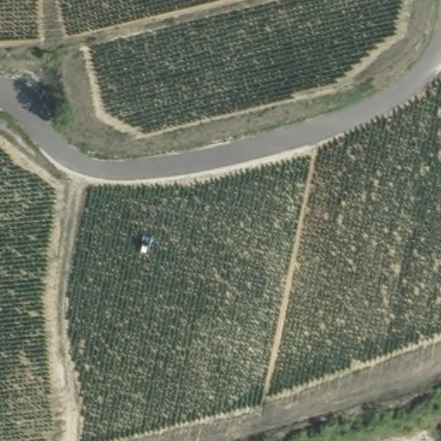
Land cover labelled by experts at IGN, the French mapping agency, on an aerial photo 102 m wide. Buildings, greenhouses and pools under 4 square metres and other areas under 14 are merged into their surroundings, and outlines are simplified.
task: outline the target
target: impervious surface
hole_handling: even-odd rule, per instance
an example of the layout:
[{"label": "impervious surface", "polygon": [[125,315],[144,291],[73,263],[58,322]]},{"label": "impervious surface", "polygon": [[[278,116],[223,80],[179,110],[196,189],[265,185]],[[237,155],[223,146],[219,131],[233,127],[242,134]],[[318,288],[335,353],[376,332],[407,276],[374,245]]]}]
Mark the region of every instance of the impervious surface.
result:
[{"label": "impervious surface", "polygon": [[441,3],[434,40],[419,64],[405,76],[396,79],[388,88],[334,114],[320,115],[295,126],[279,127],[274,131],[243,136],[238,140],[227,138],[226,141],[212,141],[208,145],[196,146],[191,150],[121,160],[86,157],[79,148],[69,145],[64,136],[55,133],[52,122],[43,121],[38,115],[24,109],[14,88],[17,79],[14,78],[14,74],[0,74],[0,110],[9,112],[17,124],[28,131],[31,140],[40,146],[40,152],[45,150],[62,164],[71,167],[72,171],[110,179],[177,176],[189,172],[208,171],[224,165],[239,164],[253,158],[286,152],[298,146],[314,145],[320,138],[324,138],[327,143],[343,138],[357,127],[376,121],[379,117],[389,117],[396,110],[410,105],[415,98],[422,98],[425,96],[425,84],[431,83],[441,72]]}]

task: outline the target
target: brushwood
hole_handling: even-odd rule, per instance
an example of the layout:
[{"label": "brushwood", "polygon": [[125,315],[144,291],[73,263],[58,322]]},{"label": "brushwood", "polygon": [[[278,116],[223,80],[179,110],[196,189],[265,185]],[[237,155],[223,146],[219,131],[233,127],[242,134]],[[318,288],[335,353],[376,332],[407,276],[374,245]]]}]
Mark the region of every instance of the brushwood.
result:
[{"label": "brushwood", "polygon": [[420,382],[415,388],[384,391],[376,398],[363,403],[357,401],[339,405],[336,412],[308,420],[295,420],[291,424],[279,425],[269,431],[233,441],[381,441],[394,436],[408,438],[419,431],[429,432],[434,441],[441,441],[441,372],[431,381]]}]

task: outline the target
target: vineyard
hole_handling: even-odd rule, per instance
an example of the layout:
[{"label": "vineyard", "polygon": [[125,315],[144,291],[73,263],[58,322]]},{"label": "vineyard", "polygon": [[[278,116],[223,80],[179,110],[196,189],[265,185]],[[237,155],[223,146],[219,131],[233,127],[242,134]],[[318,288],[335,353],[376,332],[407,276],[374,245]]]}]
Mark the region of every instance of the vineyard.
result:
[{"label": "vineyard", "polygon": [[79,413],[84,419],[83,434],[79,441],[112,441],[133,436],[138,432],[155,431],[165,425],[202,419],[215,413],[257,407],[265,396],[281,393],[283,389],[295,388],[303,382],[346,369],[353,360],[372,360],[386,355],[389,351],[398,350],[401,346],[415,343],[419,339],[441,334],[441,72],[431,83],[425,84],[425,96],[422,98],[415,98],[410,105],[396,110],[389,117],[379,117],[376,121],[357,127],[343,138],[327,143],[317,150],[317,157],[303,155],[277,164],[262,165],[257,169],[229,174],[207,183],[196,183],[191,186],[91,184],[84,189],[71,274],[67,283],[67,334],[71,339],[74,369],[78,370],[79,374],[74,391],[76,403],[81,407]]},{"label": "vineyard", "polygon": [[157,34],[138,34],[131,38],[109,41],[96,45],[91,50],[86,45],[81,47],[84,67],[90,79],[96,119],[109,124],[117,131],[131,134],[136,140],[150,140],[146,133],[162,126],[196,121],[207,115],[227,114],[260,103],[277,102],[289,98],[298,91],[312,90],[334,83],[336,79],[343,78],[363,57],[367,57],[370,50],[376,48],[377,43],[386,40],[388,36],[393,36],[401,0],[281,0],[257,5],[253,9],[200,17],[195,21],[181,22],[172,28],[160,29]]},{"label": "vineyard", "polygon": [[0,48],[41,47],[45,43],[45,0],[0,0]]},{"label": "vineyard", "polygon": [[0,441],[60,441],[64,434],[64,422],[53,420],[53,417],[62,417],[59,408],[62,403],[50,384],[45,308],[41,298],[45,293],[43,281],[47,276],[47,248],[52,233],[53,207],[59,210],[64,207],[64,184],[0,136]]},{"label": "vineyard", "polygon": [[67,34],[81,33],[86,29],[107,28],[112,24],[134,21],[140,17],[155,16],[162,12],[193,7],[214,0],[60,0]]}]

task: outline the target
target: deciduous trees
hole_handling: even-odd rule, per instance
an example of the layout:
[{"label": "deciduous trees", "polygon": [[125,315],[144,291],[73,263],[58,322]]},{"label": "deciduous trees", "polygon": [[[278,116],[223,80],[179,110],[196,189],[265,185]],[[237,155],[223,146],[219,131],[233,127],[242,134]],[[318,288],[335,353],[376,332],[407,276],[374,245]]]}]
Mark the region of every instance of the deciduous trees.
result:
[{"label": "deciduous trees", "polygon": [[69,136],[78,129],[78,107],[71,107],[69,102],[65,102],[62,107],[57,107],[57,117],[52,122],[55,133],[64,136]]}]

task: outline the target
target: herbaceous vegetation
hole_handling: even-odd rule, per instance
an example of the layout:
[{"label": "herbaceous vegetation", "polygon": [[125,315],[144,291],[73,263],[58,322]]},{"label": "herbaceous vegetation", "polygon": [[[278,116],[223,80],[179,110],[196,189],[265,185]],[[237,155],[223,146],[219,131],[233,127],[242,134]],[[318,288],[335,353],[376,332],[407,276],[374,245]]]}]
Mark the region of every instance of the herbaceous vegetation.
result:
[{"label": "herbaceous vegetation", "polygon": [[47,248],[47,276],[43,281],[45,293],[41,298],[45,308],[50,384],[62,403],[59,408],[62,417],[53,417],[53,420],[64,422],[64,434],[60,441],[79,441],[83,434],[84,419],[79,413],[81,407],[76,403],[74,391],[79,374],[78,370],[74,369],[71,339],[67,334],[67,283],[71,274],[84,189],[91,184],[191,186],[196,183],[207,183],[229,174],[257,169],[262,165],[277,164],[303,155],[317,157],[317,150],[327,143],[324,138],[320,138],[314,145],[298,146],[286,152],[253,158],[239,164],[224,165],[208,171],[189,172],[177,176],[110,179],[72,171],[71,167],[62,164],[45,150],[40,152],[40,146],[31,140],[28,131],[17,124],[9,112],[0,110],[0,136],[64,184],[64,207],[59,210],[53,207],[52,233]]},{"label": "herbaceous vegetation", "polygon": [[372,360],[353,360],[346,369],[303,382],[295,388],[283,389],[281,393],[265,396],[257,407],[215,413],[202,419],[165,425],[155,431],[138,432],[133,436],[112,441],[233,441],[269,431],[279,425],[291,424],[295,420],[308,420],[336,412],[339,405],[357,401],[363,403],[376,398],[384,391],[415,388],[420,382],[431,381],[441,372],[441,334],[419,339],[415,343],[401,346],[398,350],[389,351],[386,355]]},{"label": "herbaceous vegetation", "polygon": [[208,145],[212,141],[226,141],[227,138],[238,140],[243,136],[274,131],[279,127],[295,126],[320,115],[334,114],[388,88],[396,79],[405,76],[419,64],[434,40],[441,3],[441,0],[401,0],[393,36],[388,36],[386,40],[377,43],[376,48],[370,50],[367,57],[363,57],[343,78],[336,79],[334,83],[312,90],[298,91],[289,98],[277,102],[260,103],[227,114],[207,115],[196,121],[162,126],[146,133],[150,140],[136,140],[131,134],[117,131],[109,124],[96,119],[90,79],[84,67],[81,47],[86,45],[91,50],[96,45],[109,41],[131,38],[138,34],[157,34],[160,29],[172,28],[181,22],[195,21],[200,17],[253,9],[257,5],[281,0],[214,0],[193,7],[162,12],[155,16],[140,17],[134,21],[112,24],[107,28],[86,29],[81,33],[67,34],[60,0],[45,0],[45,43],[41,47],[0,48],[0,74],[14,74],[14,78],[17,79],[14,88],[24,109],[38,115],[43,121],[52,122],[57,117],[57,107],[62,107],[65,102],[69,102],[71,107],[78,107],[78,129],[69,136],[64,136],[69,145],[79,148],[86,157],[121,160],[191,150],[196,146]]},{"label": "herbaceous vegetation", "polygon": [[394,436],[381,441],[434,441],[429,432],[419,431],[408,438]]}]

